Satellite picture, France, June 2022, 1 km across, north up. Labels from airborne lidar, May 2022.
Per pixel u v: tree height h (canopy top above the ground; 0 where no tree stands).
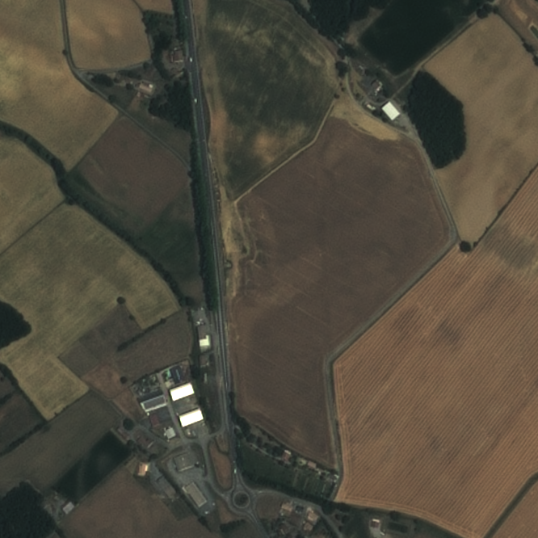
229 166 0
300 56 0
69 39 0
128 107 0
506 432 0
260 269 0
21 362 0
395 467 0
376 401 0
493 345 0
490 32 0
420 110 17
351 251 0
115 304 0
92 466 0
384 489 0
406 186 0
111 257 0
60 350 0
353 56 14
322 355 0
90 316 0
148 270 0
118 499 0
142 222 0
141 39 0
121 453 0
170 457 0
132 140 0
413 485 0
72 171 0
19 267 0
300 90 0
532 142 0
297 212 0
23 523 20
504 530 0
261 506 0
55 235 0
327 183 0
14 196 0
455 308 0
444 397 0
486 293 0
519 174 0
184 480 0
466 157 0
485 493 0
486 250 0
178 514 0
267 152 0
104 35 0
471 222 0
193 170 8
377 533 0
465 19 0
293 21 0
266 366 0
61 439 0
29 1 0
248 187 0
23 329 20
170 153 0
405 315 0
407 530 0
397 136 0
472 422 0
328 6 16
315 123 0
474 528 0
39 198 0
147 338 0
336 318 0
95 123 0
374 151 0
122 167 0
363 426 0
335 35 13
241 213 0
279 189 0
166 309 0
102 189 0
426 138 16
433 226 0
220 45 0
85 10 0
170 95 13
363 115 0
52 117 0
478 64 0
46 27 0
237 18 0
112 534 0
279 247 0
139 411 0
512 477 0
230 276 0
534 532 0
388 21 0
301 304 0
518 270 0
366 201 0
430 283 0
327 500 9
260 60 0
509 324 0
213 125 0
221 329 0
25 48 0
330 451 0
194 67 0
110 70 0
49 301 0
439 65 0
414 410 0
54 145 0
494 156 0
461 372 0
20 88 0
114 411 0
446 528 0
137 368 0
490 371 0
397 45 0
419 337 0
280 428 0
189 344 0
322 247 0
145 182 0
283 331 0
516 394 0
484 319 0
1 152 0
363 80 0
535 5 0
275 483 6
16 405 0
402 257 0
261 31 0
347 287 0
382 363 0
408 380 0
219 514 0
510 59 0
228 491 0
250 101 0
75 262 0
